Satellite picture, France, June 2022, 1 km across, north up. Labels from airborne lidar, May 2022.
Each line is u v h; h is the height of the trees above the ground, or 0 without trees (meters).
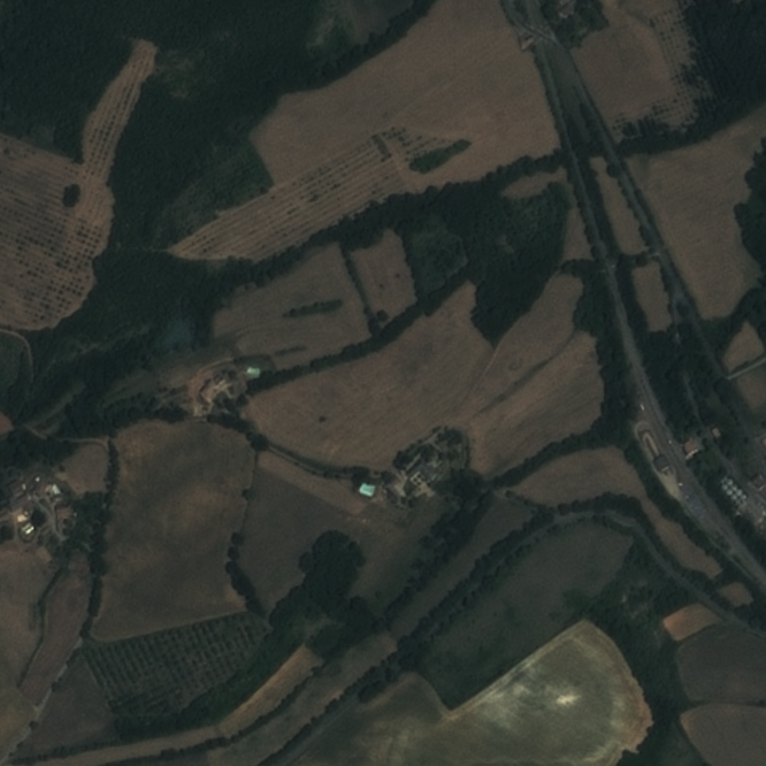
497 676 8
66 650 0
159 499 0
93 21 9
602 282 14
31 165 0
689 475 0
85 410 18
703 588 12
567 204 14
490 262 10
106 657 7
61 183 0
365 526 0
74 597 0
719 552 13
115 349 12
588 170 11
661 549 15
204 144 11
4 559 0
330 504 0
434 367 0
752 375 0
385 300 0
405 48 0
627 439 12
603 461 0
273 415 0
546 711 0
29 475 0
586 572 0
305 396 0
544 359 0
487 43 0
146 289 9
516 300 21
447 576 0
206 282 11
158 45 7
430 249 5
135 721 6
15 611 0
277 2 8
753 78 36
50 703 0
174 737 0
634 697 0
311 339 0
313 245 11
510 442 0
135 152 10
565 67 0
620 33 0
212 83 6
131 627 0
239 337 0
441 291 12
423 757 0
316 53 11
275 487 0
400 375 0
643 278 0
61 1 10
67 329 12
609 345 15
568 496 0
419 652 18
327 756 0
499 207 15
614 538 0
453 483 14
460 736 0
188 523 0
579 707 0
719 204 0
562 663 0
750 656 0
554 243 15
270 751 0
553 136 0
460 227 15
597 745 0
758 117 0
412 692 0
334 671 0
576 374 0
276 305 0
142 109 12
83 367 12
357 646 0
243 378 0
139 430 0
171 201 11
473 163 0
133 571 0
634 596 8
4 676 0
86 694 0
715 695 0
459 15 0
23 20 21
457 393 0
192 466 0
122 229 9
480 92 0
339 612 19
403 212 14
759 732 0
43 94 7
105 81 6
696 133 20
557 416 0
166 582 0
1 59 19
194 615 0
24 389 9
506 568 11
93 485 0
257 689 6
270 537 0
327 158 0
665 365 16
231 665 6
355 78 0
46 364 11
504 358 0
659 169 0
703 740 0
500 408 0
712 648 0
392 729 0
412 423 0
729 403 16
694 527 14
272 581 0
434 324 0
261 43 12
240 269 13
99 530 14
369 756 0
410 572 0
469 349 0
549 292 0
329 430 0
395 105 0
